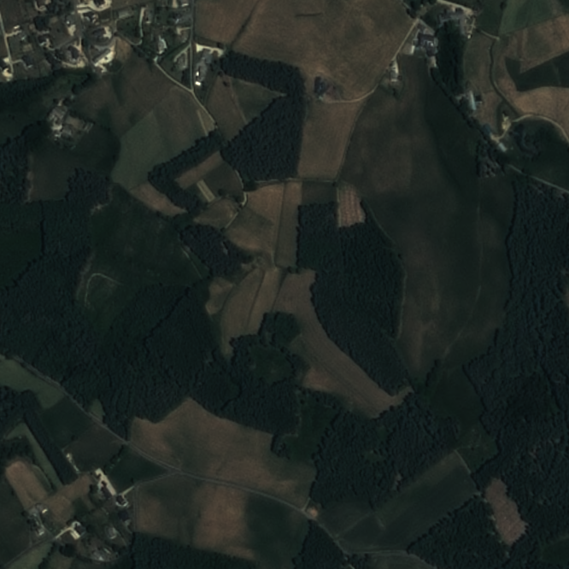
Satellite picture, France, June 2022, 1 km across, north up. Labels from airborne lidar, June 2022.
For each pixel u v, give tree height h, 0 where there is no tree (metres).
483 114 0
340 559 16
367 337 23
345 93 0
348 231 20
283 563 0
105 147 0
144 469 0
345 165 0
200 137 0
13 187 18
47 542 0
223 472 0
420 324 0
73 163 0
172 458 0
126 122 0
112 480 0
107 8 0
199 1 0
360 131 0
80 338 18
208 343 28
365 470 17
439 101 0
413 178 0
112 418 23
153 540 7
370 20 0
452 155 0
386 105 0
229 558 7
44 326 19
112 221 0
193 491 0
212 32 0
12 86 19
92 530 14
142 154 0
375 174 0
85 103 0
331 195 0
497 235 0
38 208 10
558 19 0
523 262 16
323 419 0
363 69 0
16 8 0
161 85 0
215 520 0
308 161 0
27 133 21
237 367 28
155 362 26
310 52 0
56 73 14
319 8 0
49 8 12
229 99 0
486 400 20
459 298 0
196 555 10
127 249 0
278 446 24
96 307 0
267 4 0
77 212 22
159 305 8
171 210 0
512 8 0
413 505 0
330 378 0
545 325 28
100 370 20
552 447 22
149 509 0
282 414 23
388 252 21
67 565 0
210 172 0
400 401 0
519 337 19
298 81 16
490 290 0
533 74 0
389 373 23
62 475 26
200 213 14
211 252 19
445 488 0
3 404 24
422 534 0
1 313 18
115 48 0
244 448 0
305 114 16
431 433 29
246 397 24
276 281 0
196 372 27
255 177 20
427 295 0
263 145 21
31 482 0
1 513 0
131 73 0
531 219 17
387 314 18
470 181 0
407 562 0
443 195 0
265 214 0
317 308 8
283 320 16
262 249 0
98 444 0
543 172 0
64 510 0
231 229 0
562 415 16
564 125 0
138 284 0
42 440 22
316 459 21
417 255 0
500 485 0
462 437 0
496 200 0
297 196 0
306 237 22
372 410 0
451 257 0
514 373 15
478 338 0
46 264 20
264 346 18
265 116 16
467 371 18
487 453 0
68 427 0
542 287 21
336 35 0
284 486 0
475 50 0
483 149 12
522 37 0
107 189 19
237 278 0
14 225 9
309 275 0
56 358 17
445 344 0
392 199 0
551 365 29
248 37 0
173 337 28
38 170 0
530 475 18
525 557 22
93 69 0
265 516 0
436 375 18
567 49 0
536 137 7
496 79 0
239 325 0
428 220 0
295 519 0
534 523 22
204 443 0
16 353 19
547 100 0
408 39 0
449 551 23
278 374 0
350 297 18
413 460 21
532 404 20
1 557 0
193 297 27
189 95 0
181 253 0
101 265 0
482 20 0
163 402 21
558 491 23
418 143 0
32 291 25
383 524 0
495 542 20
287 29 0
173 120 0
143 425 0
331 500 15
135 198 0
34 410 23
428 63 10
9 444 0
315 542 21
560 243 23
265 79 20
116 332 9
